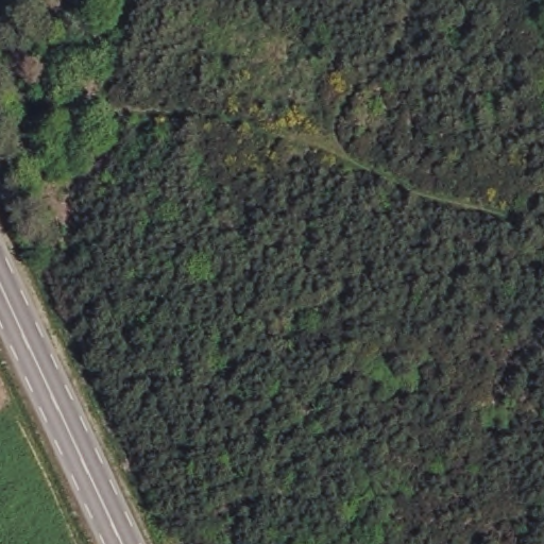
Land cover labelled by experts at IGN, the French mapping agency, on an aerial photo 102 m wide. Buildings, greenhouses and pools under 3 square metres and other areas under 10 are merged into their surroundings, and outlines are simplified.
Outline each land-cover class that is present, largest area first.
<instances>
[{"label":"brushwood","instance_id":"1","mask_svg":"<svg viewBox=\"0 0 544 544\"><path fill-rule=\"evenodd\" d=\"M240 17H259L261 23L274 32V36H283L287 40L289 66H295L300 60L317 57L323 51V45L334 43V60L319 77H315V100L308 117L317 128H321L323 134H336V140L344 147L346 153L359 159H368L372 164H380L389 172L410 179L419 189L446 191L472 200L480 198L482 202L495 200L497 206L508 208V215L497 217L485 210L461 208L436 200H421L414 206L408 202L406 187L387 183L376 172L346 170L342 164L332 166L327 162H321L323 149H308L304 155H295L283 142V138L272 140L268 136L244 132L240 128L242 121L236 119V113H230L227 100H210L225 85V81L217 79V85H208L202 81V68L206 64H213V53L206 51L204 34L210 32L215 26H227L232 19ZM540 17L538 0H125L121 17L117 21L121 36L115 45L117 60L113 66V74L104 83V87H98L94 94L98 102L108 100L113 104L117 121L115 145L106 149L102 155H98L94 166L85 174L72 179L68 185L66 249L62 244H55L53 249V259L43 270V283L36 289L45 304L51 327L60 338L62 346L66 349L72 372L85 380L81 393L89 404L91 400L98 402L102 417L115 434V438L119 440L128 461L130 472L125 482L142 512V521L147 527L155 525L168 538H176L181 544H261L266 538V529H281L285 538L295 540L300 529H308L312 536H317L321 525L340 523L346 487L353 480V476L363 468L370 478L372 502L380 506L385 499H393L391 521L383 527L380 544H544V49L538 47L536 34L525 28V19ZM366 357L383 359L395 376L406 374L408 361H414L419 366V383L400 387L391 397H380V383L368 372H363Z\"/></svg>","mask_w":544,"mask_h":544},{"label":"herbaceous vegetation","instance_id":"2","mask_svg":"<svg viewBox=\"0 0 544 544\"><path fill-rule=\"evenodd\" d=\"M540 17L525 19V28L536 34L538 47L544 49V0H538ZM206 51L213 53V64H206L202 68V81L208 85H217V79L225 81V85L210 100H227L230 113H236V119L242 121L240 128L244 132L268 136L272 140L283 138V142L295 155H304L308 149H323L321 162H327L332 166L342 164L346 170L376 172L387 183L406 187L408 202L414 206L421 200H436L461 208L485 210L497 217L508 215V208L497 206L495 200L482 202L480 198L472 200L446 191L419 189L410 179L389 172L380 164H372L368 159H359L346 153L344 147L336 140V134H323L321 128H317L308 117L315 100V77H319L334 60V43L323 45V51L317 57L300 60L295 66H289L287 40L283 36H274V32L261 23L259 17H240L232 19L227 26H215L210 32L204 34ZM0 412L17 425L53 504L64 516V529L68 533L70 544H94L83 510L74 499V493L53 453V446L49 444V438L0 340ZM363 372H368L380 383V397H391L400 387L419 383V366L414 361H408L406 374L395 376L383 359L366 357ZM89 412L98 421L104 446L111 451L115 463L128 461L119 440L115 438V434L102 417L98 402L91 400L89 404ZM151 544H181L176 538H168L155 525L147 527Z\"/></svg>","mask_w":544,"mask_h":544},{"label":"deciduous trees","instance_id":"3","mask_svg":"<svg viewBox=\"0 0 544 544\"><path fill-rule=\"evenodd\" d=\"M125 0H87L83 9L68 11L60 19L64 26V40L47 47L45 55L40 57L43 70L38 81L30 83L23 74L15 83V89L21 96V104L30 102L32 98L53 100V113L49 115L45 125L34 134V140L45 142L47 149L38 151V155L23 157L19 162V168L13 170L17 174L19 187L28 189L30 196L38 198L49 181H64L68 185L72 179L85 174L94 166L98 155H102L106 149L115 145L117 121L113 104L108 100L98 102L81 119V136H74L70 132L68 102L85 91L91 79L98 87H104V83L113 74V66L117 60L115 45L121 36L117 21L121 17ZM53 249L45 247L40 238H34L30 244L23 247H13L15 259L28 268V274L36 289L43 283V270L53 259ZM393 499H385L380 506L372 502L370 478L363 468L353 476V480L346 487L340 523L321 525L317 536H312L308 529H300L295 540L285 538L281 529H266V538L261 544H380L383 527L391 521Z\"/></svg>","mask_w":544,"mask_h":544},{"label":"impervious surface","instance_id":"4","mask_svg":"<svg viewBox=\"0 0 544 544\"><path fill-rule=\"evenodd\" d=\"M0 340L49 438V444L53 446V453L74 493V499L83 510L94 544H151L147 527L142 521V512L125 482L130 472L128 461L115 463L111 451L104 446L98 421L89 412V404L81 393L85 380L72 372L66 349L62 346L60 338L51 327L45 304L36 289L28 274V268L15 259L13 247L9 236L0 230Z\"/></svg>","mask_w":544,"mask_h":544},{"label":"coniferous trees","instance_id":"5","mask_svg":"<svg viewBox=\"0 0 544 544\"><path fill-rule=\"evenodd\" d=\"M87 0H0V230L9 236L13 247H23L30 244L34 238H40L45 247L53 249L55 244H62L66 249L68 185L64 181H49L38 198L30 196L28 189L19 187L17 174L13 170L19 168V162L23 157L38 155V151L47 149L45 142L34 140V134L45 125L49 115L53 113V100L32 98L30 102L21 104V96L15 89V83L23 74L30 83L38 81L43 70L40 57L45 55L47 47L64 40V26L60 19L68 11L83 9ZM98 87L91 79L85 91L68 102L70 132L74 136H81V119L98 102L94 94Z\"/></svg>","mask_w":544,"mask_h":544},{"label":"agricultural land","instance_id":"6","mask_svg":"<svg viewBox=\"0 0 544 544\"><path fill-rule=\"evenodd\" d=\"M0 544H70L68 533L64 529V516L53 504L17 425L0 412Z\"/></svg>","mask_w":544,"mask_h":544}]
</instances>
